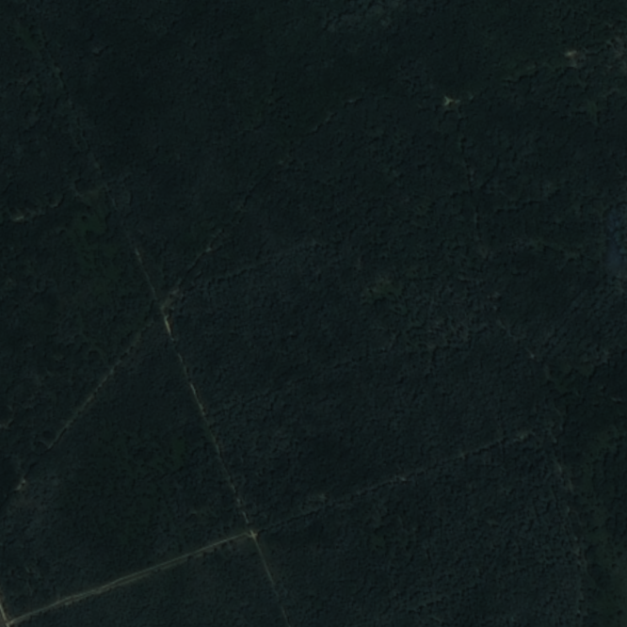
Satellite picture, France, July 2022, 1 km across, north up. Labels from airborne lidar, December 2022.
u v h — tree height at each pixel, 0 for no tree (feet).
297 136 62
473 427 55
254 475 64
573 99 67
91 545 33
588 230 66
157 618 24
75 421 22
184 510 58
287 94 65
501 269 70
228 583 27
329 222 56
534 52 50
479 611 66
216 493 62
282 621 30
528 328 56
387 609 45
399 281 56
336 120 49
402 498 69
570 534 50
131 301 32
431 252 63
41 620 42
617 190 63
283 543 49
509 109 71
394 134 84
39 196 37
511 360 75
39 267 36
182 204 61
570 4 58
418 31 88
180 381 45
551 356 74
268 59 70
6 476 61
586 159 69
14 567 66
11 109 42
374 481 77
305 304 69
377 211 73
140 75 50
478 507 70
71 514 32
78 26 58
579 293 62
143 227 57
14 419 39
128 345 45
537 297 69
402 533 63
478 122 54
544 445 31
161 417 36
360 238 68
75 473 27
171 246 58
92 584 28
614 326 74
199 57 54
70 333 35
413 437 62
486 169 93
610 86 42
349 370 94
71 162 39
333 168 63
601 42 22
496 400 60
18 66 32
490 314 72
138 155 64
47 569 54
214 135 56
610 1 70
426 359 56
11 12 70
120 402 25
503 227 72
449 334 77
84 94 73
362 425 69
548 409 67
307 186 58
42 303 54
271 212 46
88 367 42
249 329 82
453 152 73
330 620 51
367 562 30
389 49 81
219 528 34
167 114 66
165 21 39
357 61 71
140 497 25
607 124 72
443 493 70
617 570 52
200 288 54
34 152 49
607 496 41
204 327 70
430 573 71
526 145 95
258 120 49
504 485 73
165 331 26
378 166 62
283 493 64
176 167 53
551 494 78
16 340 61
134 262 23
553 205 67
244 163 55
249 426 43
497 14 58
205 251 44
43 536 36
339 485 91
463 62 75
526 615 62
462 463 58
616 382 75
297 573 30
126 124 67
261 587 30
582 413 76
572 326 84
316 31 57
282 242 44
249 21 62
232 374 75
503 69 57
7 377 63
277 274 47
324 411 59
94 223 0
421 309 60
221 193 59
